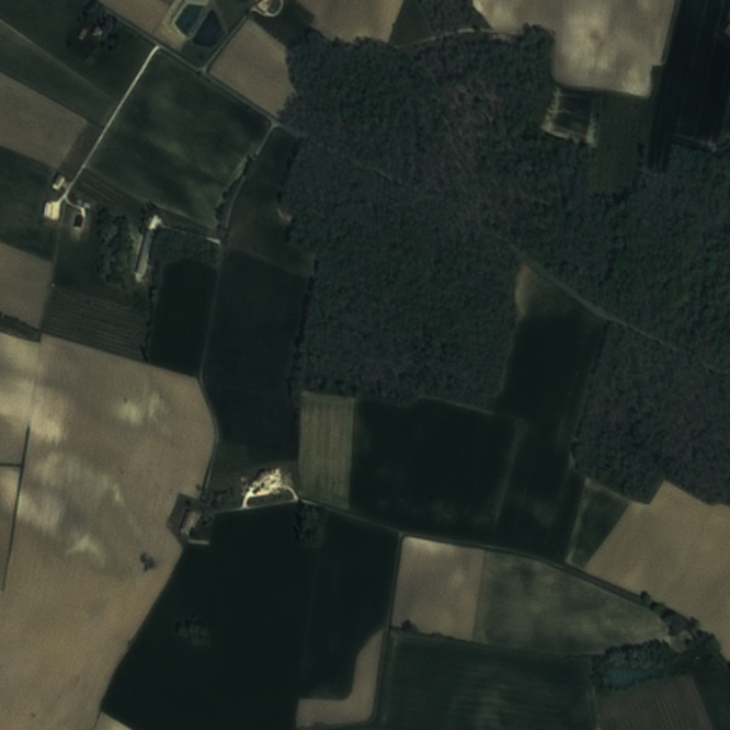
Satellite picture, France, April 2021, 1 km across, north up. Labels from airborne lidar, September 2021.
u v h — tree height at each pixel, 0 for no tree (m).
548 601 0
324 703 0
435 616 0
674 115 0
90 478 0
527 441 0
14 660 0
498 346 19
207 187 0
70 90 0
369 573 0
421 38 0
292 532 0
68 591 0
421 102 15
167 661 0
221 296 0
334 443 0
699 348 15
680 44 0
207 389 0
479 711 0
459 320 22
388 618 0
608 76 0
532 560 0
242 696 0
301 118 21
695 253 17
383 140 23
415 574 0
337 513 0
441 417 0
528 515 0
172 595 0
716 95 0
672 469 20
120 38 8
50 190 0
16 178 0
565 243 15
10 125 0
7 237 0
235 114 0
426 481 0
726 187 18
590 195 16
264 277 0
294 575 0
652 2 0
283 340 0
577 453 16
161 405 0
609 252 18
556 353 0
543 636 0
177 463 0
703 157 15
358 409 0
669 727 0
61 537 0
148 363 19
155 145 0
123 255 13
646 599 12
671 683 0
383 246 23
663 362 17
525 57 14
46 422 0
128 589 0
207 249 17
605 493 0
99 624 0
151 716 0
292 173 16
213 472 0
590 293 16
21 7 0
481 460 0
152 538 0
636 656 22
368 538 0
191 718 0
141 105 0
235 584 0
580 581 0
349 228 21
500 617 0
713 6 0
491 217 19
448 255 20
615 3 0
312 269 0
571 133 0
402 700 0
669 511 0
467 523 0
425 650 0
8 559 0
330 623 0
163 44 0
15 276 0
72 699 0
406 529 0
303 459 0
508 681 0
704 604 0
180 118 0
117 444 0
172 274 0
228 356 0
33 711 0
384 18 0
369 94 26
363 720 0
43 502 0
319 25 0
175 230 12
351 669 0
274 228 0
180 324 0
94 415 0
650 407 18
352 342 17
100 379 0
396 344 19
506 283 18
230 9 0
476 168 12
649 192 20
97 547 0
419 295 20
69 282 0
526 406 0
